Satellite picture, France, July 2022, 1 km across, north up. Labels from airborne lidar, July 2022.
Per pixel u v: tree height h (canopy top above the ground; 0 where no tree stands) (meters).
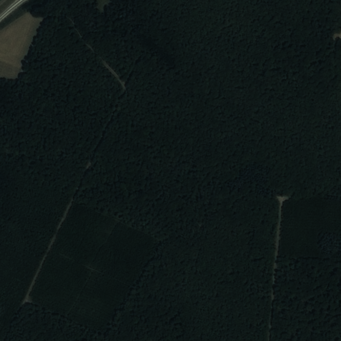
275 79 18
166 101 23
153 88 22
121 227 9
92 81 19
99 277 6
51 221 15
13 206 17
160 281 18
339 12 21
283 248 7
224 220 17
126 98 18
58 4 28
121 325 17
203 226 9
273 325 16
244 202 19
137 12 25
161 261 19
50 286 6
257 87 20
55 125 19
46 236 14
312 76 17
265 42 17
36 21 0
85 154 19
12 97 17
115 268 8
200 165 20
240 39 15
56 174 18
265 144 21
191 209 21
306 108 17
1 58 0
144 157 17
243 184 20
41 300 6
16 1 0
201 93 20
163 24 24
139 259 8
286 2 18
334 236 23
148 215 18
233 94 18
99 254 7
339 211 10
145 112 17
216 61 18
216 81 16
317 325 22
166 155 20
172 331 23
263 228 19
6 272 10
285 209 8
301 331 16
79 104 18
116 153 22
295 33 23
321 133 16
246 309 17
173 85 20
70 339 20
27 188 14
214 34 16
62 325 20
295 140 21
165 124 20
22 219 15
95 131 16
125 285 6
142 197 29
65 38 21
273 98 18
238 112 17
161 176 19
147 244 8
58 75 19
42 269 6
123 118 21
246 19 15
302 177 21
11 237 14
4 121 17
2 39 0
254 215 19
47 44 22
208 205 20
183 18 18
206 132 19
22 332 19
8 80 7
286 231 8
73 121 20
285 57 19
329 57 23
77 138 23
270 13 20
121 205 21
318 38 23
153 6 18
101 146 20
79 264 6
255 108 15
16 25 0
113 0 24
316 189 24
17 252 10
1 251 12
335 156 18
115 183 21
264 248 19
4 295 14
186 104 19
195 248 16
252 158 18
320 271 28
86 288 6
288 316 22
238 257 17
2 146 20
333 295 24
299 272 24
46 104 17
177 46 21
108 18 22
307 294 22
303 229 8
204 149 20
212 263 16
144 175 19
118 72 17
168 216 21
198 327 16
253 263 16
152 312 21
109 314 7
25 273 11
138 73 20
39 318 23
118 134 20
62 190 18
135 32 22
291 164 20
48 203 15
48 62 19
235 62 18
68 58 20
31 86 21
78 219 8
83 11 23
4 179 22
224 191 22
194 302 16
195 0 16
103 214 20
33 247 16
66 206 16
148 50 22
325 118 19
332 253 21
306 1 20
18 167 21
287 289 21
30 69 22
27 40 0
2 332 9
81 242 7
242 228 17
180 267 19
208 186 11
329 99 18
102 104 20
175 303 19
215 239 16
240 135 21
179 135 21
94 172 18
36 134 22
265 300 20
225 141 16
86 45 18
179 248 17
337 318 19
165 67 21
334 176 19
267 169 18
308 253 13
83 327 17
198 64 20
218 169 19
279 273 21
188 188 20
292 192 21
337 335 8
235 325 16
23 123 21
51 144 18
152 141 22
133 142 22
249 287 16
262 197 22
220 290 17
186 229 18
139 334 18
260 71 15
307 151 19
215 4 17
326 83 20
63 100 21
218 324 15
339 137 17
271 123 17
